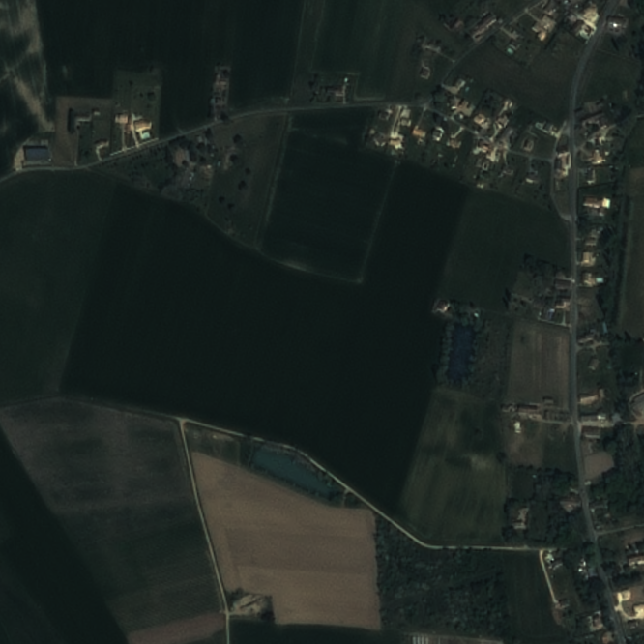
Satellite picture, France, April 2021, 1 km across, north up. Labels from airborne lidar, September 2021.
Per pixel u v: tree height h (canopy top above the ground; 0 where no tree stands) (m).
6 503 0
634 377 9
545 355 0
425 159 7
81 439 0
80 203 0
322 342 0
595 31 0
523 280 0
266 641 0
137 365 0
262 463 0
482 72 0
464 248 0
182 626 0
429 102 0
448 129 15
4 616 0
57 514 0
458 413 0
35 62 0
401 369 0
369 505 0
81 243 0
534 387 0
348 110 0
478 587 8
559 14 0
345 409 0
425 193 0
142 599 0
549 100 0
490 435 0
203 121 0
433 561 6
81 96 0
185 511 0
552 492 11
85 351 0
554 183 0
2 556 0
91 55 0
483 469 0
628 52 24
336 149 0
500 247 0
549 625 0
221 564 0
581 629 8
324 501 0
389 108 0
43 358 0
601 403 0
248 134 0
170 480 0
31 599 0
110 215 0
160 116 0
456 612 6
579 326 0
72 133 8
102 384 0
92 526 0
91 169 0
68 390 0
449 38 0
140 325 0
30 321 0
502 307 0
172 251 0
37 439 0
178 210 0
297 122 0
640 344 9
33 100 0
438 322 0
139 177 12
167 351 0
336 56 0
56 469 0
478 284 0
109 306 0
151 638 0
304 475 0
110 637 0
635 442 23
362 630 0
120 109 0
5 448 0
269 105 0
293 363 0
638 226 0
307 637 0
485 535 0
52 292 0
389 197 0
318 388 0
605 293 12
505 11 0
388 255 0
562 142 0
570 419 14
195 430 0
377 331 0
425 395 0
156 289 0
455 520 0
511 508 12
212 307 0
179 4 0
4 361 0
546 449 0
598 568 14
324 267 0
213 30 0
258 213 0
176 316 0
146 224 0
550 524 6
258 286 0
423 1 0
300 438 0
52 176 0
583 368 0
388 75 0
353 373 0
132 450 0
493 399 0
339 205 0
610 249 27
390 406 0
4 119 0
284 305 0
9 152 0
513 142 12
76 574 0
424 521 0
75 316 0
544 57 0
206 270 0
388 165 0
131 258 0
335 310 0
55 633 0
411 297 0
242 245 0
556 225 0
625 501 11
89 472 0
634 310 0
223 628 0
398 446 0
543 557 0
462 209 0
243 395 0
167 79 0
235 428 0
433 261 0
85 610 0
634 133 28
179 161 0
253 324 0
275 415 0
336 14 0
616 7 0
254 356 0
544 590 0
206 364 0
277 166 0
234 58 0
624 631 0
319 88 8
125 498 0
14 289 0
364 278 0
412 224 0
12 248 0
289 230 0
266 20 0
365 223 0
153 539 0
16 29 0
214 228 0
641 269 0
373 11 0
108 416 0
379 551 8
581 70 0
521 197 6
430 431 0
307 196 0
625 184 13
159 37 0
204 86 0
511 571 0
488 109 6
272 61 0
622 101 0
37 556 0
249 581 0
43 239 0
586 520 18
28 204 0
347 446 0
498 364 0
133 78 0
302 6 0
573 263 0
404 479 0
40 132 0
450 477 0
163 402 0
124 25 0
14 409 0
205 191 7
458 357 0
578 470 0
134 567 0
